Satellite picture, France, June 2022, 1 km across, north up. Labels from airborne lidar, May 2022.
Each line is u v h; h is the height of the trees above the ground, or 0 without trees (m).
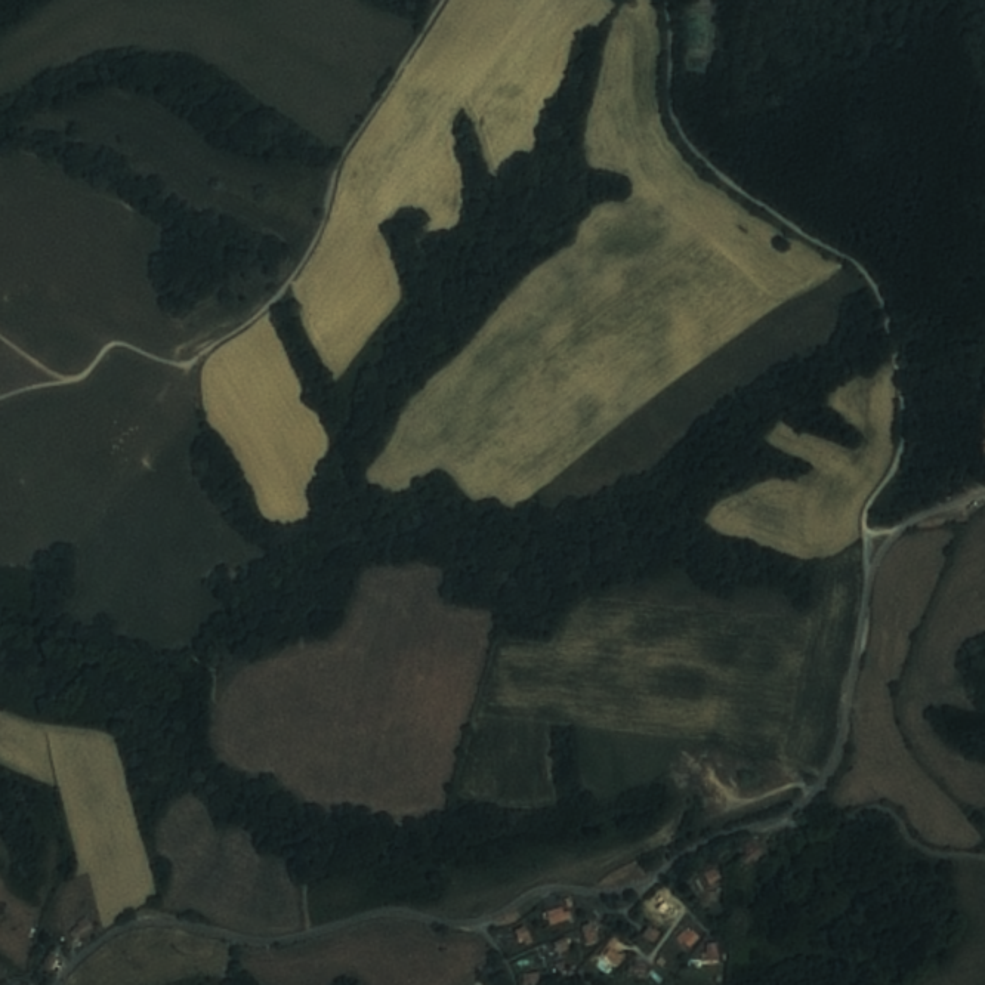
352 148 0
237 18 0
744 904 16
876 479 0
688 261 0
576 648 0
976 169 17
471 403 0
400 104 0
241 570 7
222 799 24
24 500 0
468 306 19
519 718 0
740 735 0
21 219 0
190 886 0
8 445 0
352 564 7
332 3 0
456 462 0
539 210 18
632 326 0
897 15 19
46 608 16
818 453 0
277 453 0
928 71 19
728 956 7
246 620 21
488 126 0
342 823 19
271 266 14
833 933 19
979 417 18
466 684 0
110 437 0
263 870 0
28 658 22
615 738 0
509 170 17
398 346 17
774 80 18
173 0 0
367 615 0
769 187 17
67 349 0
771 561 17
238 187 0
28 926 0
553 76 0
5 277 0
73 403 0
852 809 7
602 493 6
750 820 6
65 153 13
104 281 0
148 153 0
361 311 0
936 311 21
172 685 26
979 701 7
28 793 16
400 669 0
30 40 0
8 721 0
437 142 0
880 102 24
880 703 0
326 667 0
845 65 25
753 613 0
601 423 0
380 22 0
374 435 14
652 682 0
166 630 0
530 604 23
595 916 0
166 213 17
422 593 0
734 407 18
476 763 0
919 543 0
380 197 0
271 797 16
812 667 0
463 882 0
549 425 0
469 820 21
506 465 0
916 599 0
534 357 0
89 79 19
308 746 0
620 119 0
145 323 0
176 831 0
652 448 0
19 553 0
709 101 14
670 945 0
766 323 0
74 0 0
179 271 16
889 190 15
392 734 0
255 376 0
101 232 0
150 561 0
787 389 24
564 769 14
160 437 0
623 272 0
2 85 0
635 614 0
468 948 0
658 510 23
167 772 12
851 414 0
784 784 0
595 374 0
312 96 0
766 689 0
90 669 20
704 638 0
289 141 16
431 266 13
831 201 19
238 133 18
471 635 0
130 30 0
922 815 0
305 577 13
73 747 0
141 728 7
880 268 15
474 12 0
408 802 0
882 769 0
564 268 0
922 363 13
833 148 24
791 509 0
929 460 16
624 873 0
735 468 14
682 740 0
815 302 0
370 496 20
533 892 0
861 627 0
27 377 0
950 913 10
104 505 0
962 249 17
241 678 0
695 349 0
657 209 0
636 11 0
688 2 16
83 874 0
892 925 11
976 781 0
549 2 0
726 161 14
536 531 14
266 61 0
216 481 10
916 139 17
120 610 0
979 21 11
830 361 15
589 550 18
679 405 0
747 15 9
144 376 0
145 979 0
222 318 0
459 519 15
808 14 7
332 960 0
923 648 0
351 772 0
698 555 24
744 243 0
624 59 0
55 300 0
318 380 18
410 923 0
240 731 0
